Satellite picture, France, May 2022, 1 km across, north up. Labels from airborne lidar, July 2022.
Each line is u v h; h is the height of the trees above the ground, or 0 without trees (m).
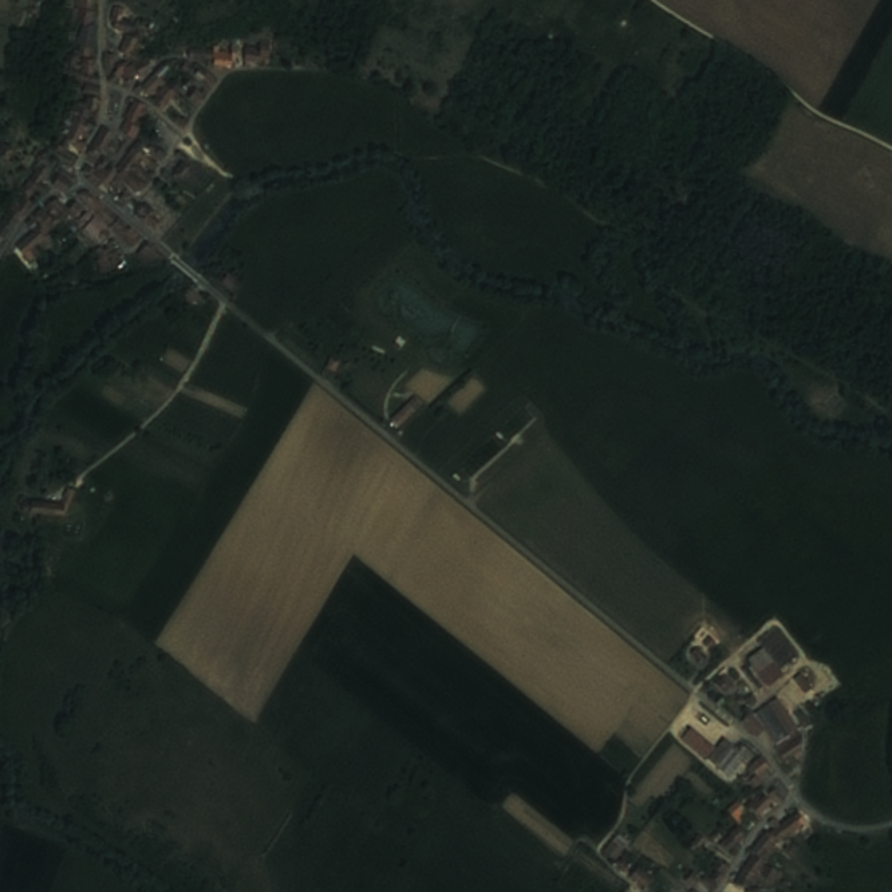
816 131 0
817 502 0
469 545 0
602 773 0
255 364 0
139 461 0
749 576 0
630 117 19
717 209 15
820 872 14
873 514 0
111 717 0
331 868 0
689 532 0
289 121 0
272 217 0
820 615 0
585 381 0
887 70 0
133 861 11
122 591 0
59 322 0
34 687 0
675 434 0
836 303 13
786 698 0
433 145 0
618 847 0
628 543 0
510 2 0
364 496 0
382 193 0
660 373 0
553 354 0
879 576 0
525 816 0
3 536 16
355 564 0
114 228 0
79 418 0
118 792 0
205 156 0
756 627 0
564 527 0
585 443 0
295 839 0
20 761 19
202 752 0
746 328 19
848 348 16
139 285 0
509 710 0
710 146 21
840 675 0
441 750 0
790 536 0
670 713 0
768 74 18
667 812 10
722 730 0
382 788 0
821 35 0
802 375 0
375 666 0
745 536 0
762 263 19
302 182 10
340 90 0
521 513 0
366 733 0
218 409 0
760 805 0
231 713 0
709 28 0
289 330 0
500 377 0
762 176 0
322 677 0
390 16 6
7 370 0
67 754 0
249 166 0
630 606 0
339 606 0
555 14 0
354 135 0
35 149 8
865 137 0
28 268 0
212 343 0
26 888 0
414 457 0
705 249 22
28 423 19
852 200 0
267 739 0
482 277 12
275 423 0
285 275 0
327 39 17
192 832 0
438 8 0
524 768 0
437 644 0
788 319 22
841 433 20
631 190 19
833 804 0
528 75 18
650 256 15
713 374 16
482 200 0
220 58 0
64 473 7
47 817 14
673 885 0
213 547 0
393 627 0
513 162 20
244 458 0
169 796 0
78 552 0
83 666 0
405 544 0
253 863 0
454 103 8
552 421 0
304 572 0
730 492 0
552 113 15
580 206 10
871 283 20
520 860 0
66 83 16
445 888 0
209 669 0
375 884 0
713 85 15
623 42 0
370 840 0
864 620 0
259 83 0
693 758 0
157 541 0
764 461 0
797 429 6
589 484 0
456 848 0
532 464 0
